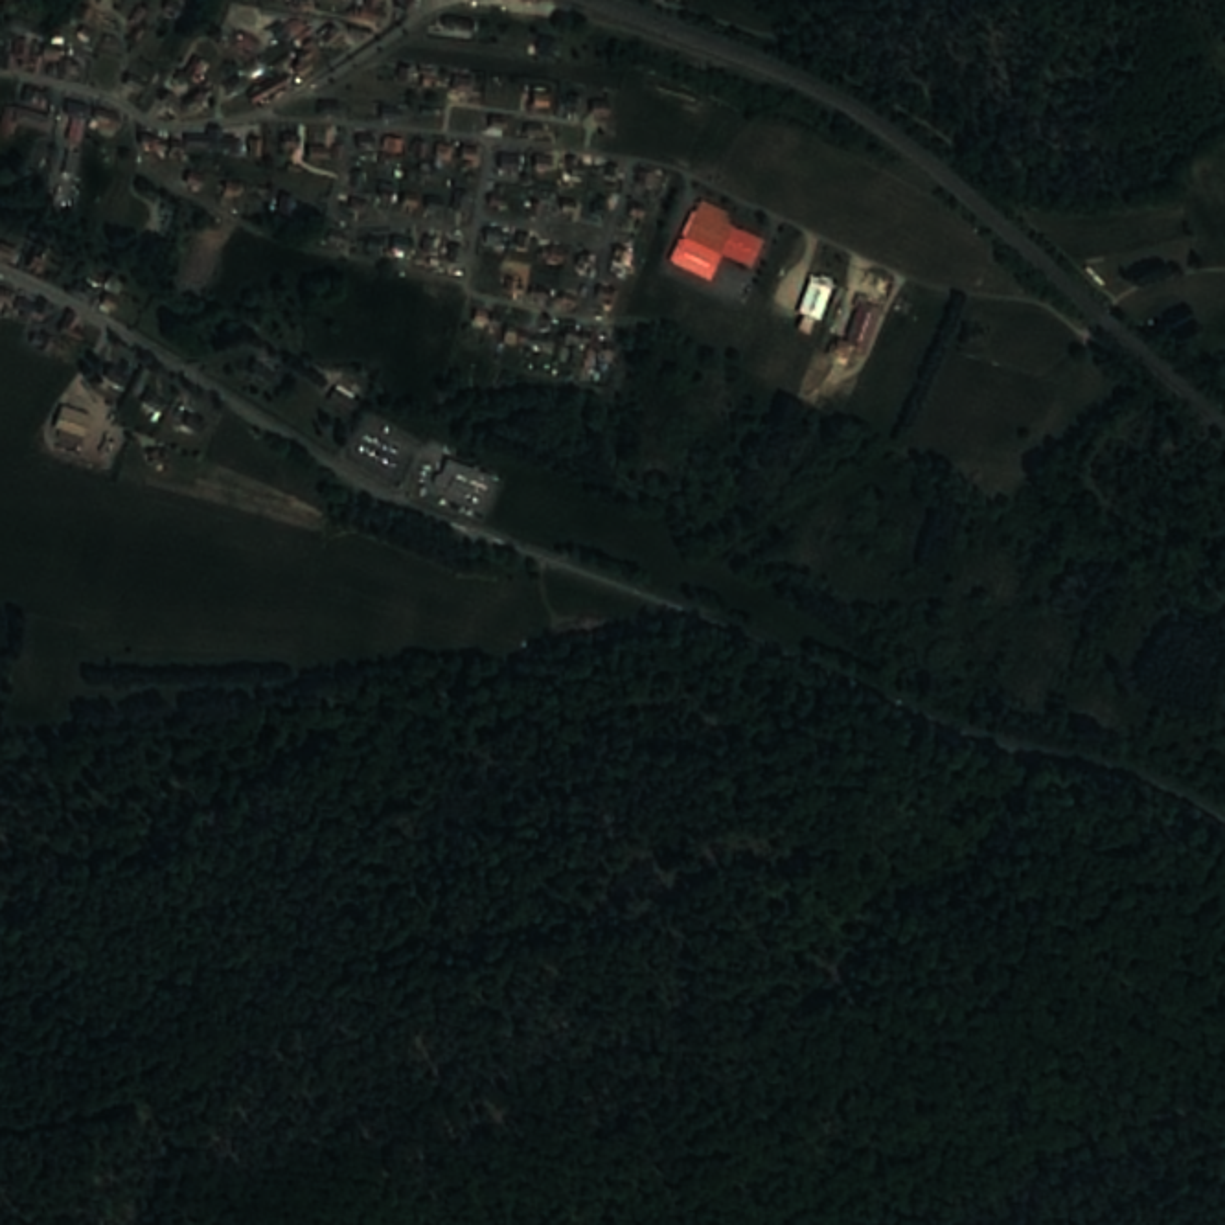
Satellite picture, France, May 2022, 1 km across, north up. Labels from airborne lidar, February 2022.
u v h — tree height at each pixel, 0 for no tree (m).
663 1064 24
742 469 20
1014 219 8
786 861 0
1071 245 0
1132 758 10
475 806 11
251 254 0
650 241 0
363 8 0
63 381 0
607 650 24
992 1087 28
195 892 32
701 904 25
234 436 0
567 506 0
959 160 11
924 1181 26
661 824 30
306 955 29
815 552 0
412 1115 26
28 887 28
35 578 0
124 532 0
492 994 23
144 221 0
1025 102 26
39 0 23
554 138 0
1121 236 0
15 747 27
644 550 0
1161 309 0
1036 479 25
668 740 6
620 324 0
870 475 0
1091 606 10
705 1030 23
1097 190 13
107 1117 24
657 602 0
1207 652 19
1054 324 0
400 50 0
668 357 0
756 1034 27
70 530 0
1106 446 0
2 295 0
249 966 33
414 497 0
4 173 20
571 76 0
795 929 33
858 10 24
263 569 0
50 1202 25
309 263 0
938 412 0
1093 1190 35
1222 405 8
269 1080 29
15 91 0
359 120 0
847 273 0
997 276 0
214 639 0
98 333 0
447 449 0
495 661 6
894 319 0
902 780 30
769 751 28
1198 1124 33
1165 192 20
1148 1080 31
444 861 30
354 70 0
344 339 0
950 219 0
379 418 0
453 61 0
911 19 28
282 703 12
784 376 0
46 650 0
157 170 0
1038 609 8
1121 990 29
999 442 0
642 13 0
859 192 0
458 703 29
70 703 0
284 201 0
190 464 0
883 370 0
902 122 12
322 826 29
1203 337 0
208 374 0
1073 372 0
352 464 0
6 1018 35
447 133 0
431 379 0
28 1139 29
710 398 0
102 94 0
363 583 0
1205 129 10
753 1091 27
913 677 10
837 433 20
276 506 0
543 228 0
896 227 0
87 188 0
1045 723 13
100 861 28
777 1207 26
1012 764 24
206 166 0
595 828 29
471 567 13
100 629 0
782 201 0
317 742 29
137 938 33
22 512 0
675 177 0
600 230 0
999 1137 30
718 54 0
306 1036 31
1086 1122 29
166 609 0
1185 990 31
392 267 12
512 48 0
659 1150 29
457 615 0
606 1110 26
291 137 0
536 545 0
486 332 0
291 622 0
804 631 0
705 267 0
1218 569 25
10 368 0
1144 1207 36
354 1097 28
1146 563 21
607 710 24
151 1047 37
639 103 0
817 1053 25
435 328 0
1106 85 15
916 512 0
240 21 0
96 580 0
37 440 0
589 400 11
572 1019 27
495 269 0
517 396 15
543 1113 25
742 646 28
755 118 6
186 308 14
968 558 0
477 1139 22
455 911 34
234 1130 27
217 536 0
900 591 0
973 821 33
